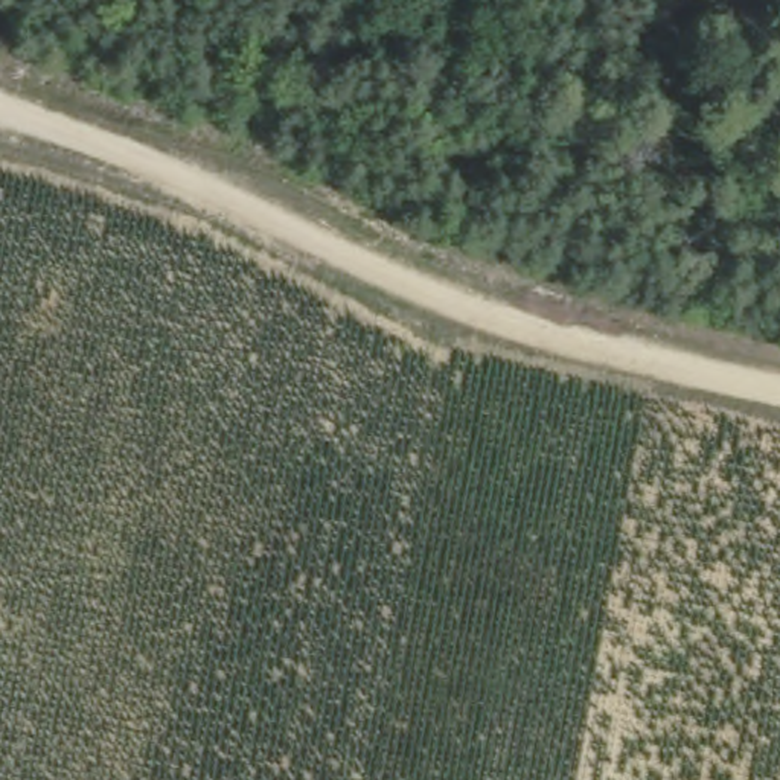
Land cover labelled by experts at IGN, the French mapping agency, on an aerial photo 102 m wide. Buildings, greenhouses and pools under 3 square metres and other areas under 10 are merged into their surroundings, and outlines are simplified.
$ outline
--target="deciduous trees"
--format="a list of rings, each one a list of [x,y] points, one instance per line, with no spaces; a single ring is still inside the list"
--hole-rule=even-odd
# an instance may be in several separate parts
[[[716,46],[695,67],[689,82],[692,94],[725,85],[728,91],[750,94],[750,46],[740,27],[734,27],[725,37],[716,37]]]
[[[524,143],[530,152],[533,146],[555,149],[573,143],[573,128],[564,134],[545,128],[545,116],[564,91],[558,76],[570,64],[564,58],[564,49],[570,49],[570,34],[576,30],[579,15],[579,6],[573,0],[381,0],[375,6],[375,18],[363,24],[363,40],[405,34],[417,40],[451,43],[451,55],[445,58],[427,104],[433,119],[445,113],[445,101],[460,98],[466,104],[466,116],[448,128],[448,155],[481,152],[497,140]]]

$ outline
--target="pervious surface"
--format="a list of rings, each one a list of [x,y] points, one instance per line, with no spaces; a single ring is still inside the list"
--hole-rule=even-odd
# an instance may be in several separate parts
[[[229,219],[232,225],[241,225],[247,235],[259,241],[283,238],[314,253],[326,265],[335,265],[372,286],[381,286],[457,323],[512,341],[524,341],[530,347],[567,353],[576,360],[655,375],[661,381],[673,381],[683,387],[701,387],[725,396],[780,405],[780,372],[707,360],[689,350],[652,344],[631,335],[603,335],[582,326],[551,323],[545,317],[518,311],[506,302],[484,299],[448,280],[430,277],[417,268],[408,268],[402,262],[393,262],[363,244],[341,238],[326,225],[302,219],[299,213],[274,201],[265,201],[229,183],[222,174],[204,171],[192,161],[158,152],[131,137],[104,131],[98,125],[70,119],[34,101],[0,91],[0,128],[21,131],[119,165],[131,171],[131,180],[152,183],[168,195],[204,207]]]

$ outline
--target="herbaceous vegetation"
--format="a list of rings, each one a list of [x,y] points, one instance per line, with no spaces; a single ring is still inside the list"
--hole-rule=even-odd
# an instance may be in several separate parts
[[[350,314],[366,326],[378,326],[387,335],[402,338],[430,363],[445,363],[454,350],[466,350],[475,360],[500,356],[518,366],[555,372],[558,378],[615,384],[646,399],[664,399],[676,405],[701,402],[713,420],[719,414],[728,420],[750,414],[780,424],[780,405],[725,396],[701,387],[683,387],[673,381],[661,381],[655,375],[576,360],[567,353],[530,347],[524,341],[512,341],[457,323],[381,286],[372,286],[335,265],[326,265],[314,253],[283,238],[259,241],[247,235],[241,225],[232,225],[229,219],[204,207],[168,195],[152,183],[131,180],[131,171],[119,165],[21,131],[0,128],[0,171],[34,177],[49,186],[73,189],[82,195],[98,195],[107,204],[155,216],[180,232],[204,235],[213,241],[213,247],[235,250],[241,259],[256,262],[262,271],[280,274],[289,283],[311,289],[317,299],[326,302],[329,317]]]
[[[76,82],[67,70],[27,67],[6,46],[0,46],[0,91],[34,101],[70,119],[98,125],[104,131],[131,137],[158,152],[192,161],[204,171],[222,174],[229,183],[265,201],[274,201],[299,213],[302,219],[326,225],[341,238],[363,244],[393,262],[402,262],[408,268],[417,268],[430,277],[448,280],[484,299],[506,302],[518,311],[545,317],[551,323],[582,326],[603,335],[631,335],[652,344],[689,350],[707,360],[780,372],[780,344],[768,344],[750,335],[710,326],[689,329],[686,320],[667,323],[664,317],[646,314],[640,308],[609,308],[597,296],[573,296],[561,283],[539,283],[536,277],[512,271],[500,262],[469,259],[457,247],[414,241],[399,225],[375,219],[366,207],[338,195],[335,189],[323,183],[308,183],[302,174],[283,168],[274,155],[265,152],[262,143],[250,137],[247,128],[216,131],[204,119],[201,107],[186,110],[186,119],[177,122],[171,116],[161,116],[143,98],[137,98],[128,107],[119,107],[116,98],[88,88],[85,82]]]

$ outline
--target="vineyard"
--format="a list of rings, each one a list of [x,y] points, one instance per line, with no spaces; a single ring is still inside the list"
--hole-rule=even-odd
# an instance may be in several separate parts
[[[558,378],[555,372],[518,366],[500,356],[475,360],[466,350],[454,350],[445,363],[430,363],[402,338],[387,335],[378,326],[366,326],[350,314],[329,317],[326,302],[317,299],[311,289],[289,283],[280,274],[262,271],[256,262],[241,259],[235,250],[213,247],[213,241],[204,235],[180,232],[155,216],[107,204],[98,195],[82,195],[73,189],[49,186],[34,177],[0,171],[0,780],[780,780],[780,424],[750,414],[728,420],[719,414],[713,420],[701,402],[676,405],[664,399],[646,399],[615,384]]]

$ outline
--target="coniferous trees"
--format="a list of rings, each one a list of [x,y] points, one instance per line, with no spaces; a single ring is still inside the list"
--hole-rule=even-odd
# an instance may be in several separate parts
[[[216,131],[247,128],[250,137],[262,143],[265,152],[274,155],[283,168],[302,174],[308,183],[323,183],[335,189],[338,195],[366,207],[375,219],[399,225],[414,241],[457,247],[469,259],[500,262],[512,271],[536,277],[539,283],[561,283],[573,296],[597,296],[609,308],[640,308],[646,314],[664,317],[667,323],[686,320],[689,329],[710,326],[750,335],[768,344],[780,344],[780,0],[573,0],[579,6],[579,15],[576,30],[570,34],[570,49],[564,49],[564,58],[570,64],[558,76],[564,91],[545,116],[545,128],[564,134],[573,128],[573,143],[555,149],[533,146],[530,152],[524,143],[497,140],[481,152],[448,155],[448,128],[466,116],[466,104],[460,98],[445,101],[445,113],[433,119],[427,104],[445,58],[451,55],[451,43],[417,40],[405,34],[363,40],[363,24],[375,18],[375,6],[381,0],[0,0],[0,46],[6,46],[27,67],[67,70],[76,82],[85,82],[88,88],[116,98],[119,107],[128,107],[137,98],[143,98],[161,116],[171,116],[177,122],[186,119],[186,110],[201,107],[204,119]],[[725,37],[734,27],[740,27],[750,46],[750,94],[728,91],[725,85],[692,94],[689,82],[695,67],[716,46],[716,37]]]

